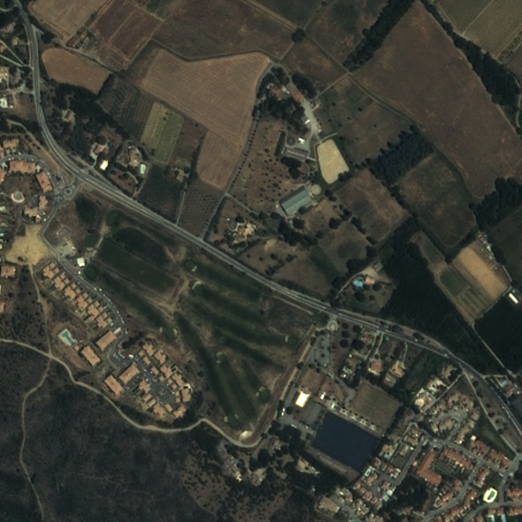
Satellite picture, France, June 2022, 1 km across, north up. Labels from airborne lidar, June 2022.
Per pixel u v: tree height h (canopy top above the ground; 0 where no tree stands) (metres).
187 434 9
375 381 11
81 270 0
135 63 0
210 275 0
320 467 15
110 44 0
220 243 7
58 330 0
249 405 0
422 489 7
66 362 0
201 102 0
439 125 0
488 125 0
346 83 0
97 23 0
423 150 23
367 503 7
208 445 11
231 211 0
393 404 0
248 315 0
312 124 0
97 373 0
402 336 0
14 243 0
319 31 0
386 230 0
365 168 11
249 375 0
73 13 0
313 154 0
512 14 0
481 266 0
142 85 0
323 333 10
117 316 0
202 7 0
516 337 7
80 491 0
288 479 8
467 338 5
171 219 9
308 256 0
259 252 0
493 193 6
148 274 0
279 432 11
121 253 0
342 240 0
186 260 0
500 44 0
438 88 0
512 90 8
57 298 0
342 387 0
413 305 10
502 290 0
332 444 0
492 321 7
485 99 0
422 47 0
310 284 0
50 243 0
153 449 0
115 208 0
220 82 0
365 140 0
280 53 0
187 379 0
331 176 0
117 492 6
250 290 0
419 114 0
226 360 0
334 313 0
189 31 0
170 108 0
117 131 7
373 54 11
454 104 0
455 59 0
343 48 0
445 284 0
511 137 0
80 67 0
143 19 0
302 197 0
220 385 0
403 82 0
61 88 9
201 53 0
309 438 9
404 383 12
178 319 0
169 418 0
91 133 13
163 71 0
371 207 0
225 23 0
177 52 0
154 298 0
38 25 10
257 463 10
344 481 14
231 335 0
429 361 7
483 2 0
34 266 0
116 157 9
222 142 0
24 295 6
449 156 0
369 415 0
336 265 0
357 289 11
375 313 7
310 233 0
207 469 8
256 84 0
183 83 0
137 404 0
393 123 0
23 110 0
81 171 0
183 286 0
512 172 0
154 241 0
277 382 0
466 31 0
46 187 0
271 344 0
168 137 0
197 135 0
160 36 0
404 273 10
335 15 0
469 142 0
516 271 0
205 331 0
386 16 15
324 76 0
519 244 0
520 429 0
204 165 0
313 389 0
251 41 0
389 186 8
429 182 0
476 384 7
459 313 6
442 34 0
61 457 7
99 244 0
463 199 0
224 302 0
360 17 0
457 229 0
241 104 0
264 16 0
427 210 0
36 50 0
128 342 14
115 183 8
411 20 0
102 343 0
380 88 0
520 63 0
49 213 0
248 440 0
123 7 0
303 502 8
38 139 7
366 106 0
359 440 0
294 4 0
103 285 0
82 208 6
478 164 0
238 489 9
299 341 0
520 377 7
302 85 14
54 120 6
